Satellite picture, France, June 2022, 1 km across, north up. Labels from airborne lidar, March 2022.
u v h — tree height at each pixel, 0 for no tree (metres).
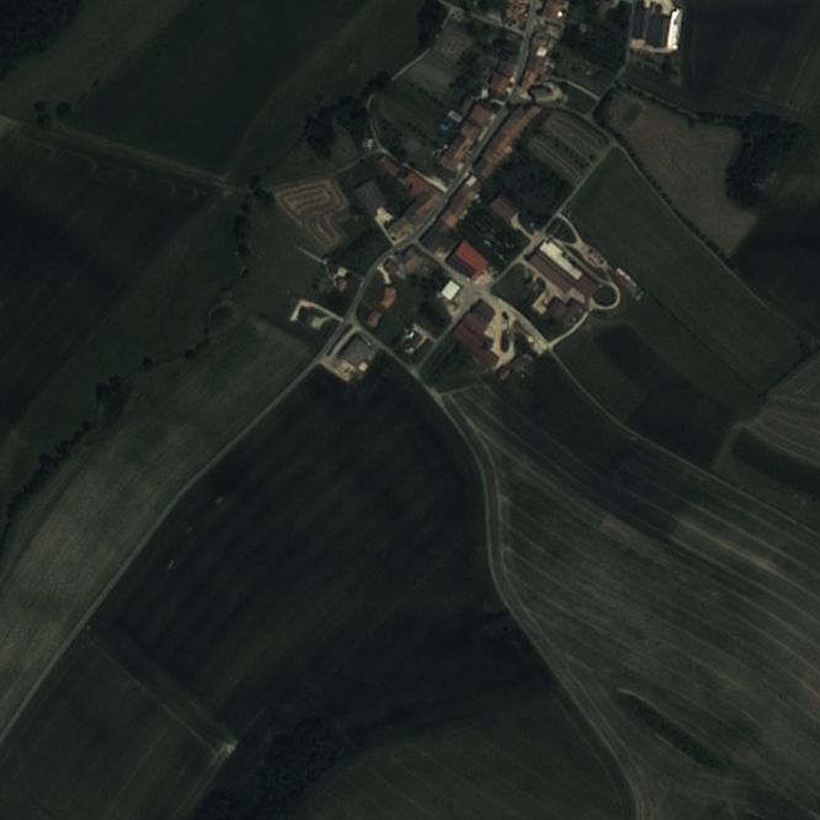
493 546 0
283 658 0
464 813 0
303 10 0
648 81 0
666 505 0
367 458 0
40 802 0
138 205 0
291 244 0
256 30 0
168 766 0
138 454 0
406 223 0
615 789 0
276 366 0
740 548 0
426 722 0
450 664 0
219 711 0
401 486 0
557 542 0
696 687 0
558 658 0
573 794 0
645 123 0
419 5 0
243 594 0
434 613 0
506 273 0
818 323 0
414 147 0
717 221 0
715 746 0
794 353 0
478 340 0
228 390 0
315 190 0
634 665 0
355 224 0
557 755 0
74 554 0
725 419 0
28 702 0
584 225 0
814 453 0
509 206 0
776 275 0
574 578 0
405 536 0
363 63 0
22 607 0
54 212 0
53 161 0
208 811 19
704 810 0
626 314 0
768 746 0
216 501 0
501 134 0
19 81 0
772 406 0
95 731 0
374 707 0
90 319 0
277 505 0
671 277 0
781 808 0
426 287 7
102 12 0
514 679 0
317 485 0
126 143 0
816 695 0
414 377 0
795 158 0
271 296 0
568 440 0
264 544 0
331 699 0
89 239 0
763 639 0
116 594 0
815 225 0
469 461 0
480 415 0
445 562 0
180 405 0
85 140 0
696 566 0
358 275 0
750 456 0
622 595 0
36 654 0
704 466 0
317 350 0
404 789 0
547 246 0
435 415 0
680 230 0
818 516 0
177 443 0
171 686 0
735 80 0
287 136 0
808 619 0
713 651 0
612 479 0
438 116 0
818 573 0
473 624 0
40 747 0
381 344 0
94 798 0
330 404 0
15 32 24
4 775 0
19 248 0
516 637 0
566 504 0
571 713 0
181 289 0
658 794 0
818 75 0
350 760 0
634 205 0
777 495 0
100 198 0
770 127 18
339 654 0
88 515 0
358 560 0
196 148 0
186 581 0
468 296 0
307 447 0
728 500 0
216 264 0
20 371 0
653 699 0
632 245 0
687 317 0
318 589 0
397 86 0
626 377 0
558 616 0
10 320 0
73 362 0
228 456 0
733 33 0
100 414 0
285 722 0
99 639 0
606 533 0
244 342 0
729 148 0
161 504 0
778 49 0
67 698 0
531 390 0
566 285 0
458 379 0
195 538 0
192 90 0
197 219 0
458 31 0
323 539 0
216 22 0
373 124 0
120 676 0
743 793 0
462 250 0
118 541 0
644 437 0
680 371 0
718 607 0
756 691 0
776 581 0
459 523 0
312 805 0
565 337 0
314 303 0
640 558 0
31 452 0
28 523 0
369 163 0
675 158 0
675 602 0
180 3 0
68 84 0
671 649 0
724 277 0
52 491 0
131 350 0
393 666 0
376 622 0
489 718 0
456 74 0
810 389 0
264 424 0
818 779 0
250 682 0
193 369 0
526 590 0
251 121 0
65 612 0
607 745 0
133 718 0
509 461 0
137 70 0
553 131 0
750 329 0
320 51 0
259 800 0
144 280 0
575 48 6
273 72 0
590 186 0
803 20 0
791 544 0
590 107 0
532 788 0
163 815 0
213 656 0
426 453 0
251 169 0
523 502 0
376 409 0
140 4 0
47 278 0
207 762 0
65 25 17
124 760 0
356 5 0
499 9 0
